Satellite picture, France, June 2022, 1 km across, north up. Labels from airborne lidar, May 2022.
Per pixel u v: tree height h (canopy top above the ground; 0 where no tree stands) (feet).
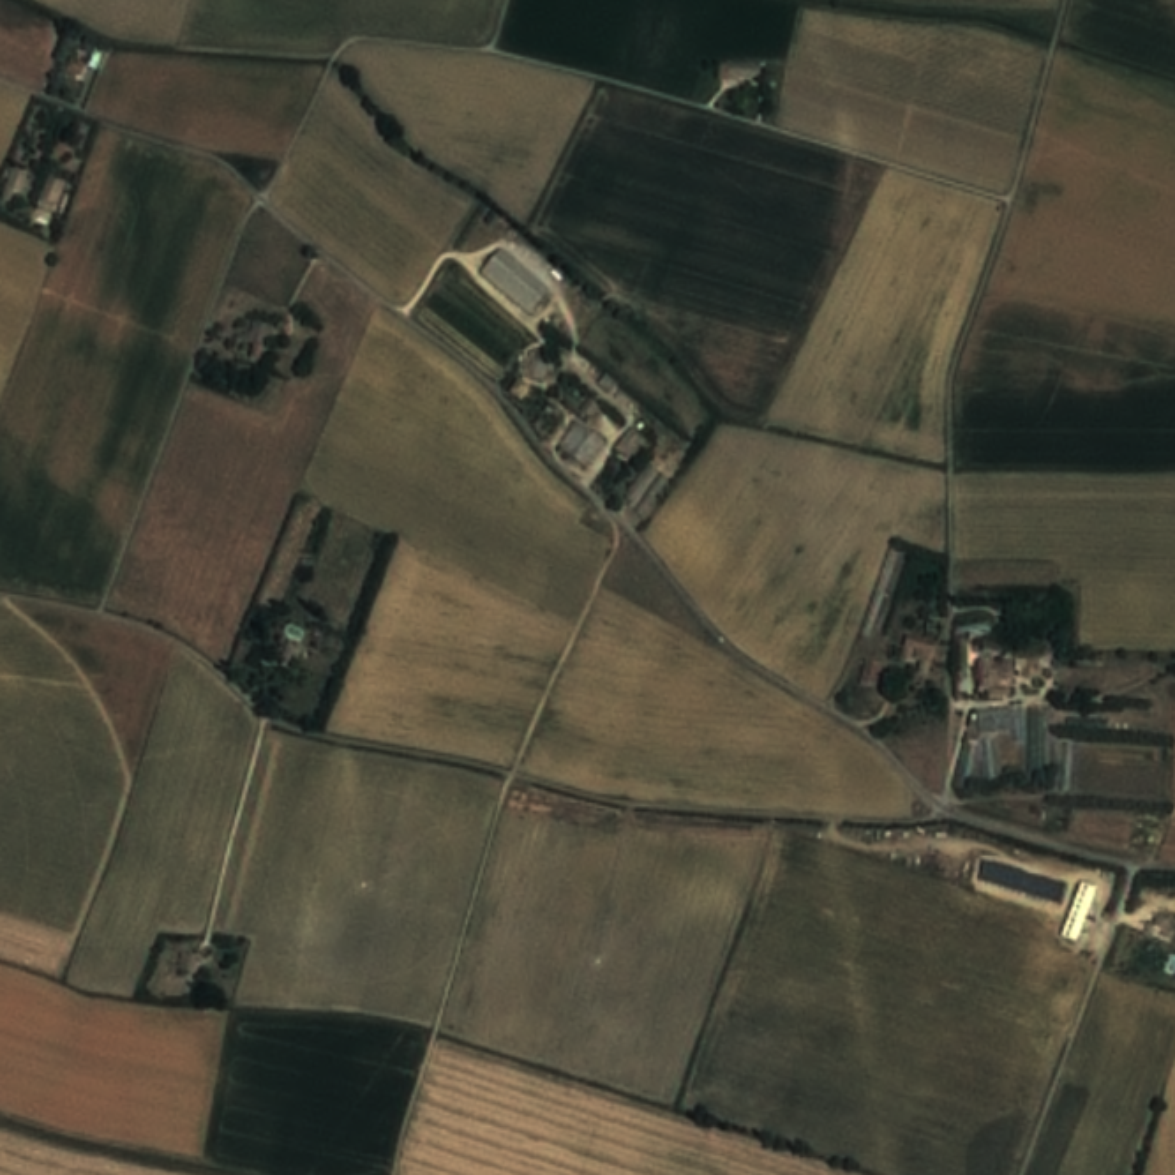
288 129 0
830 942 0
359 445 0
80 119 25
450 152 0
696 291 0
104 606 0
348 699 0
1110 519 0
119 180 0
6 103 0
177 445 0
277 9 0
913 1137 0
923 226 0
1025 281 0
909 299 0
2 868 0
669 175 0
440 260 0
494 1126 0
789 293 0
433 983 0
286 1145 0
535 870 0
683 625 0
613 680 0
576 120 0
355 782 0
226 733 0
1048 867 0
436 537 0
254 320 30
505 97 0
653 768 0
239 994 0
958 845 0
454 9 0
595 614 0
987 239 0
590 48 0
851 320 0
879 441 0
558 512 0
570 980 0
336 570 0
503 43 0
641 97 0
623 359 0
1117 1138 0
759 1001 0
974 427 0
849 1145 0
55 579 0
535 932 0
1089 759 0
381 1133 0
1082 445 0
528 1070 0
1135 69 0
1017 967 0
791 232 0
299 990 0
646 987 0
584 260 0
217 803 0
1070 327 0
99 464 0
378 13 0
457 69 0
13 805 0
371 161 0
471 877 0
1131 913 19
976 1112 0
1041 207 0
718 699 0
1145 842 0
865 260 0
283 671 18
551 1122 0
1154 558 0
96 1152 0
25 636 0
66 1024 0
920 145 0
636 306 0
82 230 0
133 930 0
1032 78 0
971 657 0
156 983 0
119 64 0
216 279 0
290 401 0
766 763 0
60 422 0
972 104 0
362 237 0
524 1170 0
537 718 0
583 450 0
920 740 0
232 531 0
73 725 0
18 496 0
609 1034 0
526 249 0
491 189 0
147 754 0
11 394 0
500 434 0
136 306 0
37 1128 0
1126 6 0
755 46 0
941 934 0
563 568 0
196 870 0
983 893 0
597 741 0
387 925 0
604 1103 0
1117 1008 0
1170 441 0
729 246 0
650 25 0
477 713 0
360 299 0
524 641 0
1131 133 0
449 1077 0
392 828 0
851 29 0
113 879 0
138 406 0
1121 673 0
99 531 0
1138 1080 0
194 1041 0
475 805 0
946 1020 0
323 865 0
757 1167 0
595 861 0
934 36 0
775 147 0
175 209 0
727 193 0
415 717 0
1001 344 0
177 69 0
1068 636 46
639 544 0
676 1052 0
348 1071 0
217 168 0
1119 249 0
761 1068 0
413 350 0
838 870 0
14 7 0
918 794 0
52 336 0
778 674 0
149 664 0
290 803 0
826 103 0
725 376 0
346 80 44
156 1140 0
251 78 0
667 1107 0
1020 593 0
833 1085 0
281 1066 0
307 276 0
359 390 0
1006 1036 0
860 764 0
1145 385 0
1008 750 0
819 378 0
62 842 0
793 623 0
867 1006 0
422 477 0
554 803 0
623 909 0
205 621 0
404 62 0
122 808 0
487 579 0
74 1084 0
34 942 0
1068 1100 0
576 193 0
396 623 0
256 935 0
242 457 0
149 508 0
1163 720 0
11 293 0
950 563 36
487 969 0
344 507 0
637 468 47
